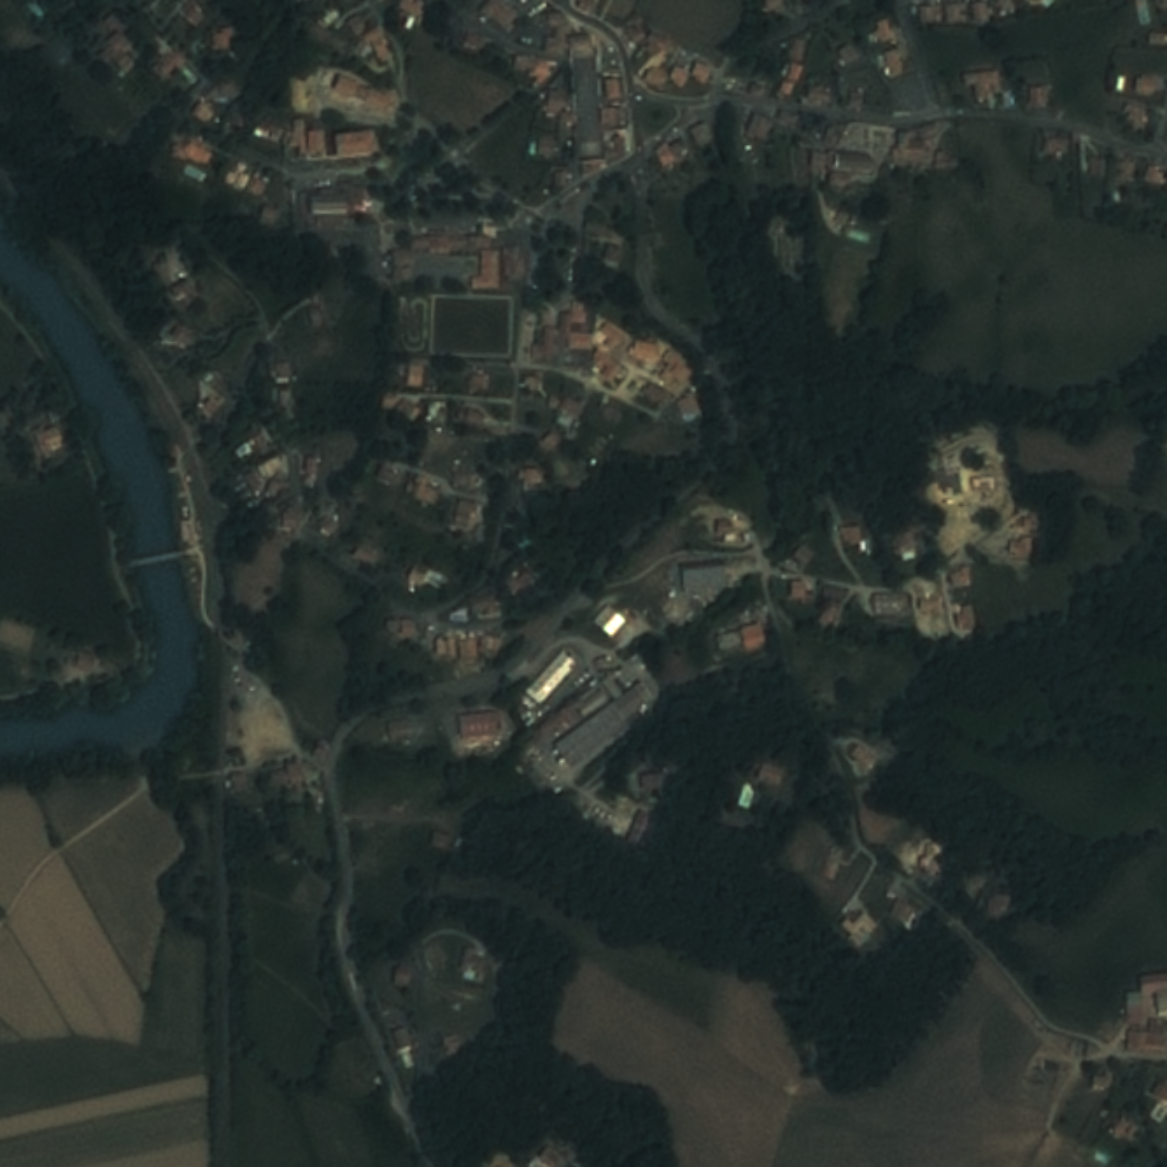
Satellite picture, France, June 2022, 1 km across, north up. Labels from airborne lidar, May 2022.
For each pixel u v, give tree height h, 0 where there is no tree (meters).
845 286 0
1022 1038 0
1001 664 16
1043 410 23
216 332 6
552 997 17
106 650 12
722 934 28
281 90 13
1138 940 0
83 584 0
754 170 0
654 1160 20
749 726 24
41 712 9
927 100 0
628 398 0
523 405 0
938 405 29
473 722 0
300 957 0
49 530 0
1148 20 0
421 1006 0
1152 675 0
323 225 0
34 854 0
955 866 13
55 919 0
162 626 0
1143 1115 8
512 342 0
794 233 12
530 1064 16
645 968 0
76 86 0
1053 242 0
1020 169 0
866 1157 0
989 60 0
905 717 22
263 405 14
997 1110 0
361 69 8
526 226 0
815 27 7
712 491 8
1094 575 7
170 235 17
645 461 10
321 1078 7
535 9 0
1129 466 0
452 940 0
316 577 0
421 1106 12
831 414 31
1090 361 0
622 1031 0
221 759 0
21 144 26
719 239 24
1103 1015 0
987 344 0
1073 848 21
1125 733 14
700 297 0
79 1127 0
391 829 0
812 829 0
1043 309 0
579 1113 21
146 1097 0
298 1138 0
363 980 7
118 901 0
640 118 0
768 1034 0
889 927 8
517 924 23
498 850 22
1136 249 0
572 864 22
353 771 0
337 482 13
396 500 0
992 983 0
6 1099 0
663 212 0
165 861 0
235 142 7
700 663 0
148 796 0
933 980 26
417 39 0
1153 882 0
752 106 0
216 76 17
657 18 0
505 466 16
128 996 0
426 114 0
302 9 10
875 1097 0
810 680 0
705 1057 0
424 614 0
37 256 18
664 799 21
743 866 27
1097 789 0
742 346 29
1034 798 0
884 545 9
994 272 0
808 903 21
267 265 20
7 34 0
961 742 8
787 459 25
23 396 10
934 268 0
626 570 21
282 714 0
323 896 0
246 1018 8
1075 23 0
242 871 19
